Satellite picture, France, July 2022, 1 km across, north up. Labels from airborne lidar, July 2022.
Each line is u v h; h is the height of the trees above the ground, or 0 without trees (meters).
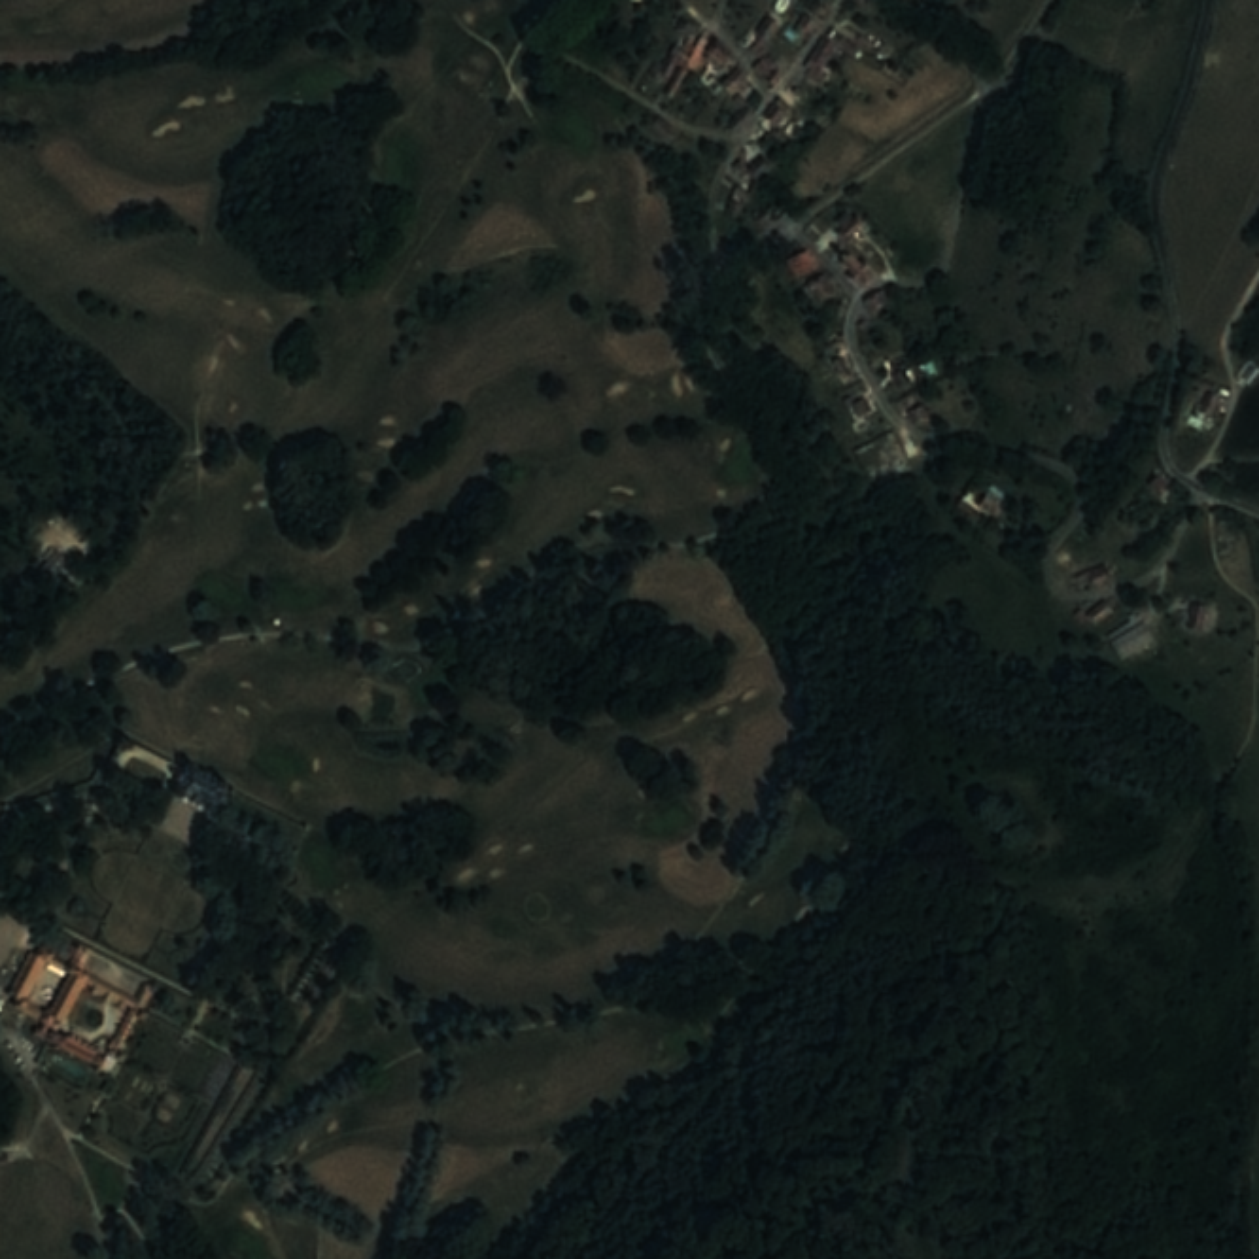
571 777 0
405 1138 0
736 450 0
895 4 23
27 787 0
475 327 0
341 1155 0
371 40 13
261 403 0
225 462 18
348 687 0
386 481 17
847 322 0
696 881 0
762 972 16
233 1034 0
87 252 0
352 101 19
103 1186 0
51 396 12
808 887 20
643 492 0
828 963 26
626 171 0
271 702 0
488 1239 24
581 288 0
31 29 0
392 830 16
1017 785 0
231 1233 0
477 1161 0
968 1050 30
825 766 28
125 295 0
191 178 0
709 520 0
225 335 0
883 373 7
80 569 22
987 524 8
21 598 29
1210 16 0
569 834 0
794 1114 33
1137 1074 5
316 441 20
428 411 0
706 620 0
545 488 0
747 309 28
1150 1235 22
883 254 0
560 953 0
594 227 0
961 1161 30
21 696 0
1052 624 0
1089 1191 20
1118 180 13
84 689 17
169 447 28
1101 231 18
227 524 0
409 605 0
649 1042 0
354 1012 0
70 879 23
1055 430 0
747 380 27
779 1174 36
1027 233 6
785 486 11
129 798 19
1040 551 15
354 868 0
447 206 0
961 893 33
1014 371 0
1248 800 0
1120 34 0
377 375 0
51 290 0
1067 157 6
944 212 0
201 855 20
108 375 9
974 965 28
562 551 17
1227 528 0
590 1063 0
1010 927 29
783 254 20
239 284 0
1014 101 20
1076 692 31
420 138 0
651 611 14
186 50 17
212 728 0
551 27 34
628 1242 37
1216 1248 14
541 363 0
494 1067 0
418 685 0
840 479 8
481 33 0
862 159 0
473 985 0
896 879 37
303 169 25
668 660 36
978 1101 22
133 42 0
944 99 0
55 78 16
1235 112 0
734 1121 35
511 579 0
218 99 0
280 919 18
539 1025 22
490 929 0
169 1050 0
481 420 0
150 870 0
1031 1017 32
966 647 28
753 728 0
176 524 0
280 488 21
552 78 27
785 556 12
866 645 25
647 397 0
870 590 27
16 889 22
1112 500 12
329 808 0
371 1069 23
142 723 0
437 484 0
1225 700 0
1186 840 0
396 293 0
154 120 0
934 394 13
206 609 20
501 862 0
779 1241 30
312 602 0
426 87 0
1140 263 0
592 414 0
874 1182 17
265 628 0
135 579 0
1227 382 0
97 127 0
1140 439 17
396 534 0
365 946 21
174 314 0
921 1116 24
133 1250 29
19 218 0
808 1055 38
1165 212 0
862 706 38
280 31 18
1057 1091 30
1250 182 0
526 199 0
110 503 30
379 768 0
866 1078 28
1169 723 29
